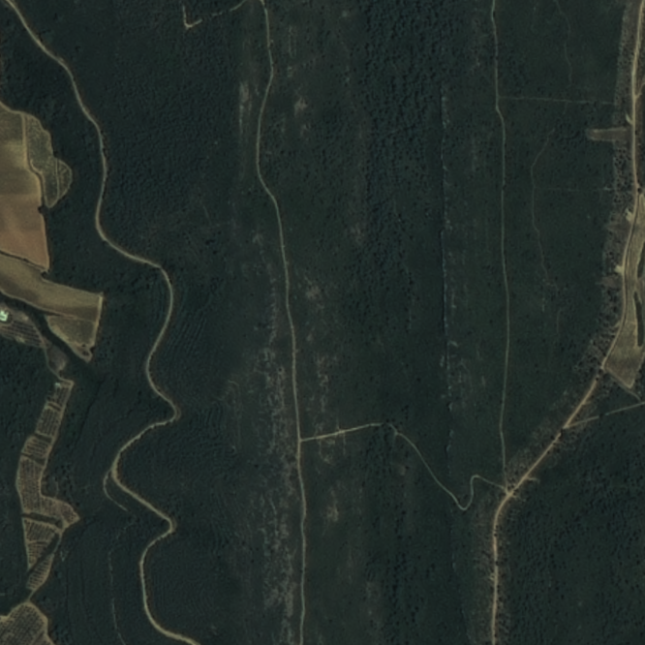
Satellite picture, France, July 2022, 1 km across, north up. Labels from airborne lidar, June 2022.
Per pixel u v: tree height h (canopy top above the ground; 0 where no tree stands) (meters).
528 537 8
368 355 0
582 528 6
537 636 11
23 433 9
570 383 0
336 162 8
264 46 8
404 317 0
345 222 9
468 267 0
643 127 0
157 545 7
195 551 5
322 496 0
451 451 0
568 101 0
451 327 0
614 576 9
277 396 0
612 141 0
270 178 7
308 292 0
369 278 12
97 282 8
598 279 0
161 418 6
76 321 0
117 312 9
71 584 5
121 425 5
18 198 0
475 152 0
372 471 7
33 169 0
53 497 0
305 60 0
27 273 0
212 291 8
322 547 0
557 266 0
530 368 0
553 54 0
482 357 0
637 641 0
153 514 7
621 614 13
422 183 8
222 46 8
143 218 6
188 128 8
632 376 0
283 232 0
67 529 6
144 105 7
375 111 7
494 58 9
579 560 7
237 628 0
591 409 0
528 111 0
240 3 8
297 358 0
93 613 6
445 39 7
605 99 0
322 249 8
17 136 0
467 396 0
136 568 5
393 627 8
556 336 0
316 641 0
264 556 0
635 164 0
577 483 8
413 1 9
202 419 6
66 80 8
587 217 0
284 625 0
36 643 0
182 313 7
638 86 0
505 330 0
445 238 0
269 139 9
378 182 13
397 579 11
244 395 0
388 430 9
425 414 0
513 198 0
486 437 0
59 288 0
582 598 0
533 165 0
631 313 0
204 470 6
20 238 0
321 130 8
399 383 0
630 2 0
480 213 0
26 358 9
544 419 0
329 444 0
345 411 0
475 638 0
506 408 0
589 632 0
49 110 13
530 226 0
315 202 8
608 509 10
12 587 6
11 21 9
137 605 6
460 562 0
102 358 8
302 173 8
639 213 0
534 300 0
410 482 0
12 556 8
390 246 7
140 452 6
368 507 0
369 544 0
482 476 0
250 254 0
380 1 12
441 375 0
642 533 10
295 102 0
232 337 0
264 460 0
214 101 6
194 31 8
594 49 0
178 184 6
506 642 7
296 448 0
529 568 8
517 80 7
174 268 9
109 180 7
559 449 8
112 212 8
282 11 14
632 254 0
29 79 9
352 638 0
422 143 8
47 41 12
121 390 8
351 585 0
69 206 9
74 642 6
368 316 15
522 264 0
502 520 0
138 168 8
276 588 0
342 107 8
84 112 0
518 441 0
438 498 0
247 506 0
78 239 7
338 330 0
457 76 6
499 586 6
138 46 0
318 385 0
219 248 13
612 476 9
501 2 0
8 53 15
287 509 0
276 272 0
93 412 6
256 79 0
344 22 0
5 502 9
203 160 8
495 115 0
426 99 8
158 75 6
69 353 7
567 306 7
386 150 13
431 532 0
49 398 10
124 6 7
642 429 0
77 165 7
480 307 0
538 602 10
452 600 0
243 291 0
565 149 6
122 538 7
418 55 14
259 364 0
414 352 0
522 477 0
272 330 0
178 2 8
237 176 0
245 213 0
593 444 6
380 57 8
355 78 0
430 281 0
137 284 12
